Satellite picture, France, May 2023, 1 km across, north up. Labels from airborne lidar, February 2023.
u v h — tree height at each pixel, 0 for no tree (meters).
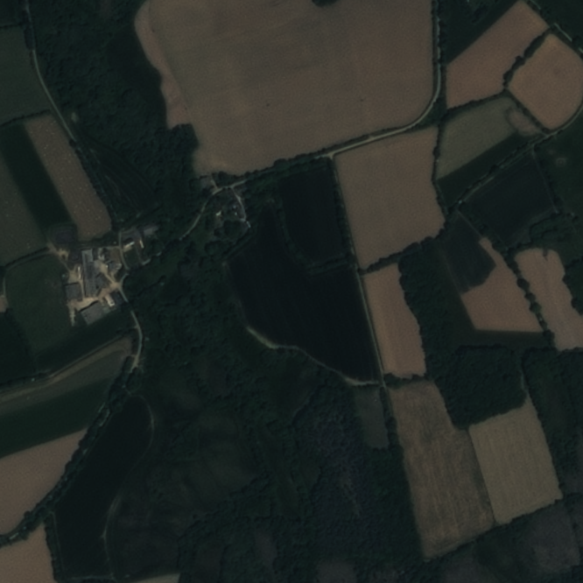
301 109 0
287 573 9
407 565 14
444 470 0
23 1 20
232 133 0
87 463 0
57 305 0
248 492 14
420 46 0
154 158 10
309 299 0
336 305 0
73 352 0
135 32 0
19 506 0
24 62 0
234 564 9
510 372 18
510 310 0
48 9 9
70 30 10
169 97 0
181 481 0
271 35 0
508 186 0
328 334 0
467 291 0
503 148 0
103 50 7
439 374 20
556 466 6
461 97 0
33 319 0
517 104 7
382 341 0
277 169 16
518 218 0
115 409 17
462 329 0
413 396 0
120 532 0
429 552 0
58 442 0
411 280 21
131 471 0
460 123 0
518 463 0
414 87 0
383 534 20
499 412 17
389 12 0
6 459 0
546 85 0
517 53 0
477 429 0
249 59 0
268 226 0
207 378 0
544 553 0
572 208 0
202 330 6
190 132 7
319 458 13
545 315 0
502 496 0
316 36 0
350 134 0
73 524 0
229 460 0
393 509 16
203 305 26
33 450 0
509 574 0
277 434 16
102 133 11
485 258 0
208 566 0
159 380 0
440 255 0
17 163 0
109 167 0
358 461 16
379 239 0
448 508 0
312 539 20
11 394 0
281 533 6
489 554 0
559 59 0
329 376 15
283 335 0
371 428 0
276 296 0
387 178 0
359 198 0
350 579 0
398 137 0
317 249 0
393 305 0
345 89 0
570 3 0
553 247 0
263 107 0
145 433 0
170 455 7
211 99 0
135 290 0
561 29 10
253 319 0
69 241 0
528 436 0
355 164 0
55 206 0
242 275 0
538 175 0
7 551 0
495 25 0
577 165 0
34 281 0
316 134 0
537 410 9
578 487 0
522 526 13
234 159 0
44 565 0
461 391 20
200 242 0
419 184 0
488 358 25
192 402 0
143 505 0
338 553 17
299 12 0
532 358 20
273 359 9
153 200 0
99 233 0
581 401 12
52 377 0
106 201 15
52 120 0
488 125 0
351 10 0
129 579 0
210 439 0
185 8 0
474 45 0
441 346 23
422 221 0
